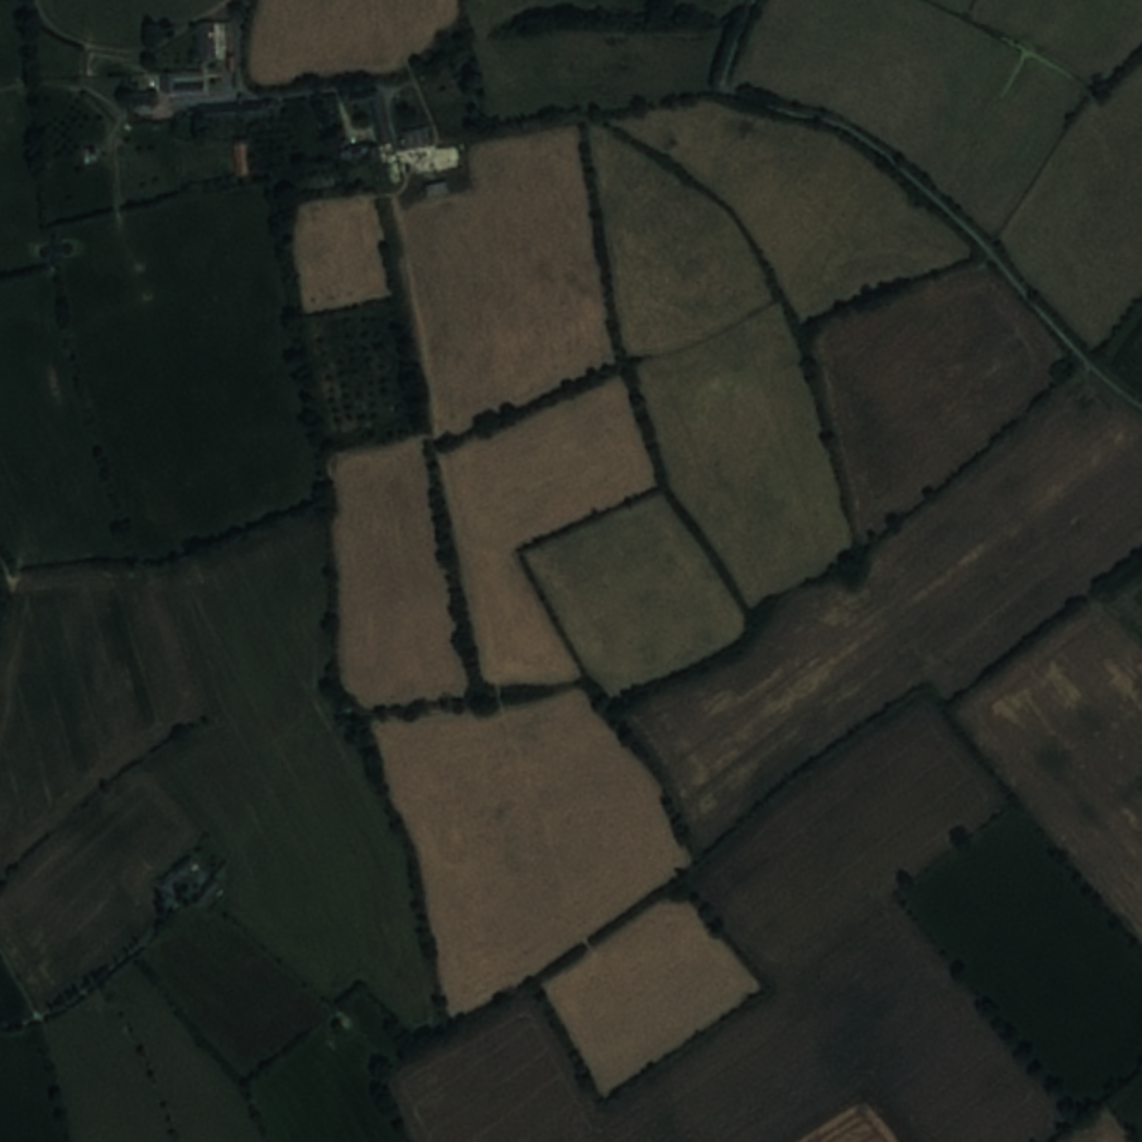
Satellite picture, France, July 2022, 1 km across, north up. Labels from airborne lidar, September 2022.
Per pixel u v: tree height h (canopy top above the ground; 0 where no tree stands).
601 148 0
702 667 9
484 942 0
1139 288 0
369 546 0
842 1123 0
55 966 0
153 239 0
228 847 0
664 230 0
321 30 0
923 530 0
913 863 0
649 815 0
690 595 0
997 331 0
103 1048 0
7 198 0
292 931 0
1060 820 0
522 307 0
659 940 0
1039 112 0
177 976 0
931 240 0
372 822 0
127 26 0
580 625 0
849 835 0
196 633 0
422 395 16
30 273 10
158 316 0
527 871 0
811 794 0
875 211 0
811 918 0
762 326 0
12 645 0
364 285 0
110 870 0
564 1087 0
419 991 0
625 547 0
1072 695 0
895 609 0
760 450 0
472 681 10
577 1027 0
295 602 0
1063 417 0
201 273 0
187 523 0
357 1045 0
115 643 0
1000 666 8
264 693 0
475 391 0
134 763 6
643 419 12
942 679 0
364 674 0
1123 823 0
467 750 0
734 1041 0
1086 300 0
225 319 0
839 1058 0
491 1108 0
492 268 0
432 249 0
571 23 17
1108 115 0
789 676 0
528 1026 0
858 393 0
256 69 0
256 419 0
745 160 0
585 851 0
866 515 0
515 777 0
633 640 0
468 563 0
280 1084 0
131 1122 0
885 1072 0
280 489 0
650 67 0
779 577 0
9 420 0
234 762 0
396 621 0
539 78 0
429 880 0
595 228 7
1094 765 0
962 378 0
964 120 0
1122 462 0
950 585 0
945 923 0
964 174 0
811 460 0
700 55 0
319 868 0
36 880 0
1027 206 0
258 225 0
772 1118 0
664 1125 0
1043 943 0
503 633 0
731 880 0
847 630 0
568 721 0
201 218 0
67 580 0
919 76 0
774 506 0
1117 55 0
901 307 0
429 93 0
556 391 7
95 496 0
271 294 0
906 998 0
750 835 0
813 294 0
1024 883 0
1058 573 0
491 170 0
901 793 0
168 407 0
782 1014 0
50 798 0
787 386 0
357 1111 0
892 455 0
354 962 0
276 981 0
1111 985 0
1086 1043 0
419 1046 13
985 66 0
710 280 0
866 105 0
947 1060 0
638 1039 0
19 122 0
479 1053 0
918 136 0
